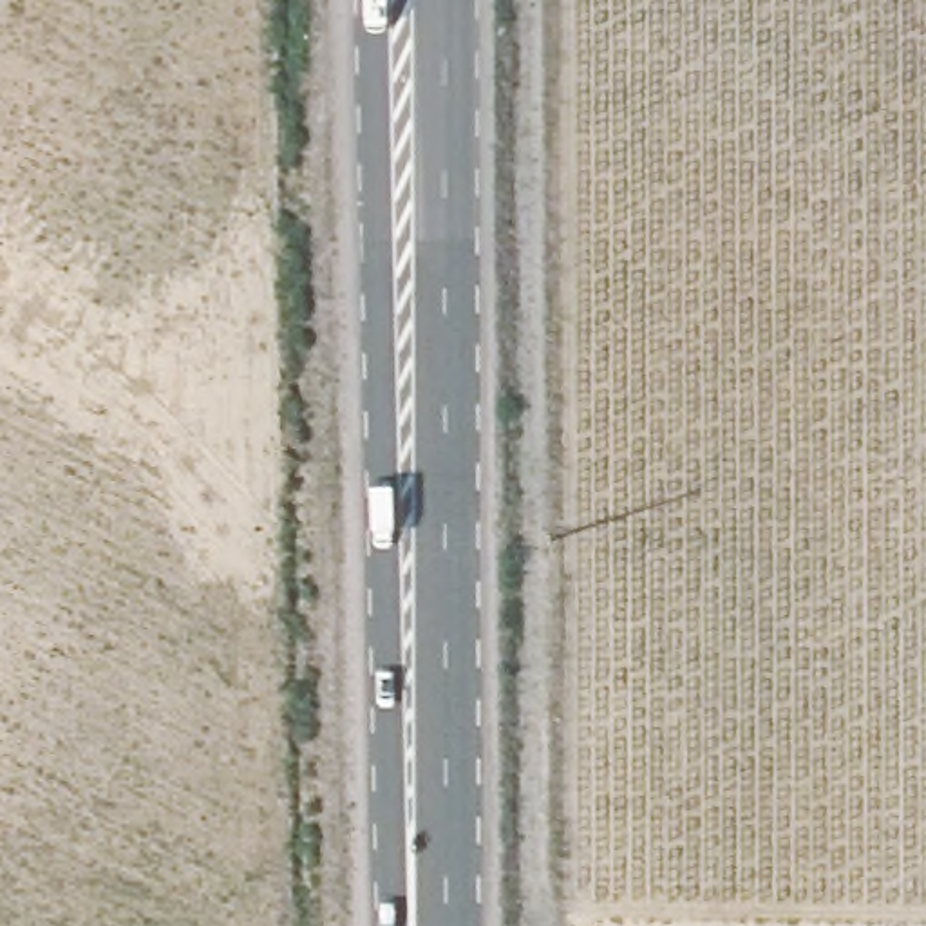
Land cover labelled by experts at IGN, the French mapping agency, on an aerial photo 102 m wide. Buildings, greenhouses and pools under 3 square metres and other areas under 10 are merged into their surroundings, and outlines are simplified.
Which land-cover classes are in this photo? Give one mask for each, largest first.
<instances>
[{"label":"vineyard","instance_id":"1","mask_svg":"<svg viewBox=\"0 0 926 926\"><path fill-rule=\"evenodd\" d=\"M275 0H0V926H297L286 846V629L279 619L286 597L279 579V488L286 481V456L279 427L282 347L275 297V257L282 246L275 235L279 105L271 94L275 69L264 65L268 18ZM521 90L514 174L521 253L517 369L524 394L521 535L528 543L521 647V926H926V0H524L517 7Z\"/></svg>","mask_w":926,"mask_h":926},{"label":"impervious surface","instance_id":"2","mask_svg":"<svg viewBox=\"0 0 926 926\"><path fill-rule=\"evenodd\" d=\"M362 22L365 29L387 36V65L380 58L358 61L354 76V101L362 109V130L354 137V159L362 166L358 289L365 297L362 409L369 416L362 467L376 485L369 492V524L376 550L365 557V590L373 593V611L365 615V647H373V662L391 673V709L376 716V731L365 742V760L376 767V789L369 792V821L376 825V846L369 850V883L387 901L380 908V922L394 926H503V459L496 416L499 282L492 0H369L362 7Z\"/></svg>","mask_w":926,"mask_h":926},{"label":"herbaceous vegetation","instance_id":"3","mask_svg":"<svg viewBox=\"0 0 926 926\"><path fill-rule=\"evenodd\" d=\"M369 0H318L311 11V69L300 80L311 130L300 166V199L307 203L304 224L311 228L315 347L307 351V365L300 376V391L311 412V456L300 467L297 492V543L300 550H311V561L300 564L297 575L318 582V600H300V615L311 622L315 637L297 644V669H322L318 738L304 742L300 749L304 756L318 760V778L300 781V799H322V926H394L380 922V908L387 901L369 883V850L376 846V825L369 821V792L376 789V767L365 760V742L376 731V716L391 709V673L373 662V647H365V615L373 611V593L365 590V557L376 550L369 524V492L376 485L362 467L369 416L362 409L365 297L358 289L362 166L354 159V137L362 130V109L354 101V76L358 61L380 58L387 65V36L365 29L362 22V7Z\"/></svg>","mask_w":926,"mask_h":926},{"label":"brushwood","instance_id":"4","mask_svg":"<svg viewBox=\"0 0 926 926\"><path fill-rule=\"evenodd\" d=\"M318 0H275L268 18L264 65L275 69L271 94L279 105L275 235L282 246L275 257V297L282 347L279 427L286 456V481L279 488V579L286 597L279 619L286 629V846L297 926H322V799H300V781L318 778V760L304 756L300 749L304 742L318 738L322 669H297V644L315 637L311 622L300 615V600H318V582L297 575L300 564L311 561V550H300L297 543V492L300 467L311 456V412L300 391V376L307 365V351L315 347L311 228L304 224L307 203L300 199V166L311 130L300 80L311 69V11ZM499 282L496 416L503 459V926H521V647L528 543L521 535L524 394L517 369L521 253L514 174L521 90L517 7L524 0H492Z\"/></svg>","mask_w":926,"mask_h":926}]
</instances>
